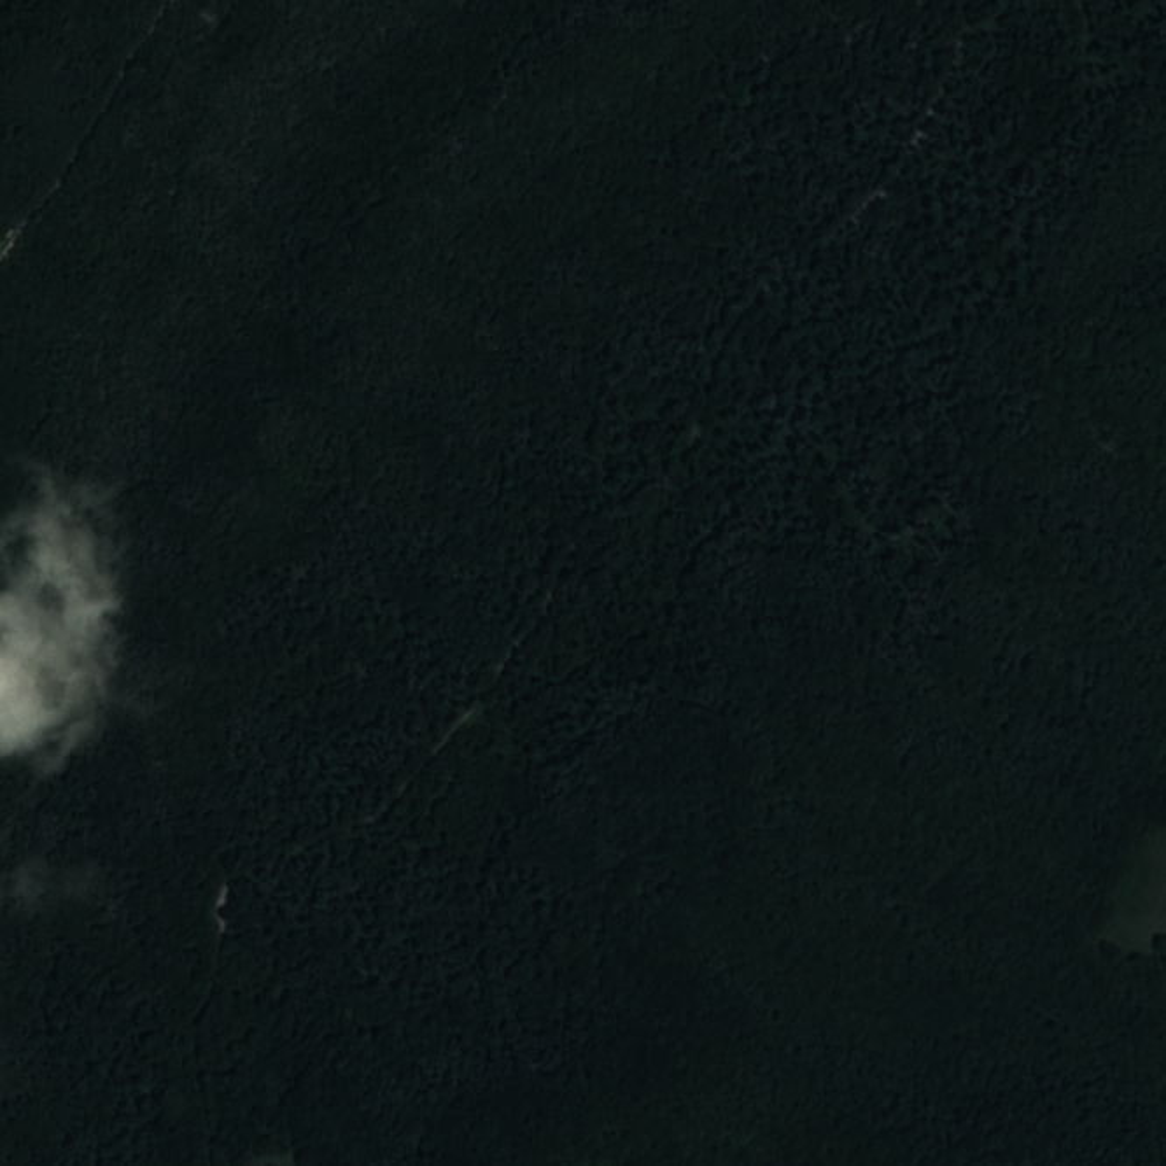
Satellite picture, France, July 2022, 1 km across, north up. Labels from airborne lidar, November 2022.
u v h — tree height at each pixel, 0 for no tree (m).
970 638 23
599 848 27
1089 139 11
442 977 23
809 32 23
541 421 23
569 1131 18
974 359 19
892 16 18
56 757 17
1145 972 22
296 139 11
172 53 11
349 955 17
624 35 16
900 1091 17
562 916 24
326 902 18
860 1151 16
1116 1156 18
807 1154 18
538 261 16
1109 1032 16
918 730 21
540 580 17
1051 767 17
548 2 10
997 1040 19
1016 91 16
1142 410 12
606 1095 17
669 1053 23
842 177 8
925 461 13
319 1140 21
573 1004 31
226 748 18
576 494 11
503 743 7
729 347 17
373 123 17
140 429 14
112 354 12
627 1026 23
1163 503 16
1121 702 21
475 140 10
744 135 17
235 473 15
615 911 24
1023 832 18
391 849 9
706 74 18
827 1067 15
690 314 23
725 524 20
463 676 23
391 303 13
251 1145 15
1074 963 20
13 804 19
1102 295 18
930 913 19
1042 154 27
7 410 8
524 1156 19
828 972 21
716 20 14
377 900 15
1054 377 17
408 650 22
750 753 20
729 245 17
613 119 12
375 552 23
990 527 20
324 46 12
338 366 19
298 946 28
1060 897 18
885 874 19
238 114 6
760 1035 23
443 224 13
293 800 17
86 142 12
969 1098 19
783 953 19
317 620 20
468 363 16
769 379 16
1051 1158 16
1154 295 19
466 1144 22
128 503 12
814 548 12
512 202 16
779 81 23
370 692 20
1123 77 9
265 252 20
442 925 12
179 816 18
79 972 18
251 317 18
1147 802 29
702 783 22
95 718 18
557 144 13
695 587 21
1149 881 0
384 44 12
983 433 17
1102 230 14
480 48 16
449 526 13
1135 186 16
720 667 22
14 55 18
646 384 21
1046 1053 15
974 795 19
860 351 24
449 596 21
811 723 19
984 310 19
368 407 20
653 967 26
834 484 27
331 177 16
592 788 27
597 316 17
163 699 19
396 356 11
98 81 14
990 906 21
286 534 15
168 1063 19
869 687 19
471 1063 25
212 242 13
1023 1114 20
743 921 20
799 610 19
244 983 6
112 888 12
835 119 23
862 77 21
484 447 19
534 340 13
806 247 21
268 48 11
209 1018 21
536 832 27
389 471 18
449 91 15
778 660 23
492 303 14
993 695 20
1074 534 22
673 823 16
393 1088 17
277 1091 16
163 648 18
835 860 20
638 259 21
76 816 21
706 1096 16
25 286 14
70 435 6
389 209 13
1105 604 11
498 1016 25
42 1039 19
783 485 11
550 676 11
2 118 14
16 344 11
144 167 9
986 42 25
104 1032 20
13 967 14
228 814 16
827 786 17
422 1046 18
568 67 17
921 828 17
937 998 20
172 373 13
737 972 16
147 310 17
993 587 19
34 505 12
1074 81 13
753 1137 16
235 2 13
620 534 17
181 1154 17
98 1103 17
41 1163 16
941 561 17
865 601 25
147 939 19
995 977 17
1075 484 18
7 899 7
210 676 14
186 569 12
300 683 16
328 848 15
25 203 11
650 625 8
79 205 11
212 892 25
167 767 10
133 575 14
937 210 30
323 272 20
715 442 7
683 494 7
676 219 19
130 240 10
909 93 23
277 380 20
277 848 18
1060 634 21
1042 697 21
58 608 13
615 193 14
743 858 20
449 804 10
